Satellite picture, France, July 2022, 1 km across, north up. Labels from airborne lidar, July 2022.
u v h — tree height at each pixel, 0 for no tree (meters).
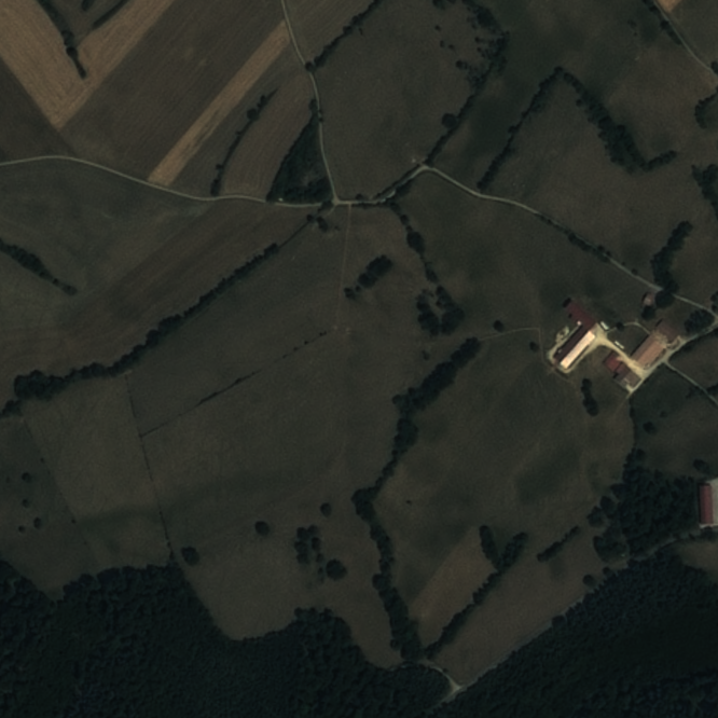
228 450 0
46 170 0
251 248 0
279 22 0
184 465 0
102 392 0
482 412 0
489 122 0
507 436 0
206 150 0
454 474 0
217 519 0
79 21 0
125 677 13
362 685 27
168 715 10
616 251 0
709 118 0
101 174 0
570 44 0
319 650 25
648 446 0
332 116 0
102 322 0
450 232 0
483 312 0
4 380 0
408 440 16
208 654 12
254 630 0
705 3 0
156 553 0
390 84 0
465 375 0
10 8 0
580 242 11
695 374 0
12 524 0
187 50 0
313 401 0
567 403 0
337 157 0
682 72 0
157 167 0
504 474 0
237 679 13
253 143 0
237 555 0
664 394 0
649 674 13
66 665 8
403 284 0
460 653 0
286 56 0
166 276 0
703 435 0
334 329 0
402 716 32
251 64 0
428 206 0
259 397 0
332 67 0
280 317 0
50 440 0
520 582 0
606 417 0
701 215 0
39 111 0
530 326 0
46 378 12
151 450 0
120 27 0
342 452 0
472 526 0
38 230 0
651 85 0
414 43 0
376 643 0
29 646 28
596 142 0
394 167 0
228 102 0
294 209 0
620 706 26
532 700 24
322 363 0
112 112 0
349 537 0
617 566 0
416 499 0
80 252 0
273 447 0
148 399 0
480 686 11
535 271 0
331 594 0
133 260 0
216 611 0
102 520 0
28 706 13
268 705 13
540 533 0
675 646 9
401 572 0
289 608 0
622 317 0
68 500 0
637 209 0
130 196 0
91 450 0
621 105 0
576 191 0
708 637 9
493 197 0
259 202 0
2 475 0
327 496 0
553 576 0
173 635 13
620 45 0
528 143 0
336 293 0
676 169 0
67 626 8
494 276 0
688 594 13
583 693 10
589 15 0
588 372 0
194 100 0
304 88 0
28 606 8
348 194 0
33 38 0
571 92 0
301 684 16
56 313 0
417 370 0
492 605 0
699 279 0
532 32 0
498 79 0
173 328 16
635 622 25
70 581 0
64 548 0
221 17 0
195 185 0
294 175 10
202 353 0
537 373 0
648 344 0
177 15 0
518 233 0
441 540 0
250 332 0
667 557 17
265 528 14
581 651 11
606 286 0
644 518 30
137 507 0
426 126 0
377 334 0
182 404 0
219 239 0
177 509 0
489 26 14
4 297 0
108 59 0
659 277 17
